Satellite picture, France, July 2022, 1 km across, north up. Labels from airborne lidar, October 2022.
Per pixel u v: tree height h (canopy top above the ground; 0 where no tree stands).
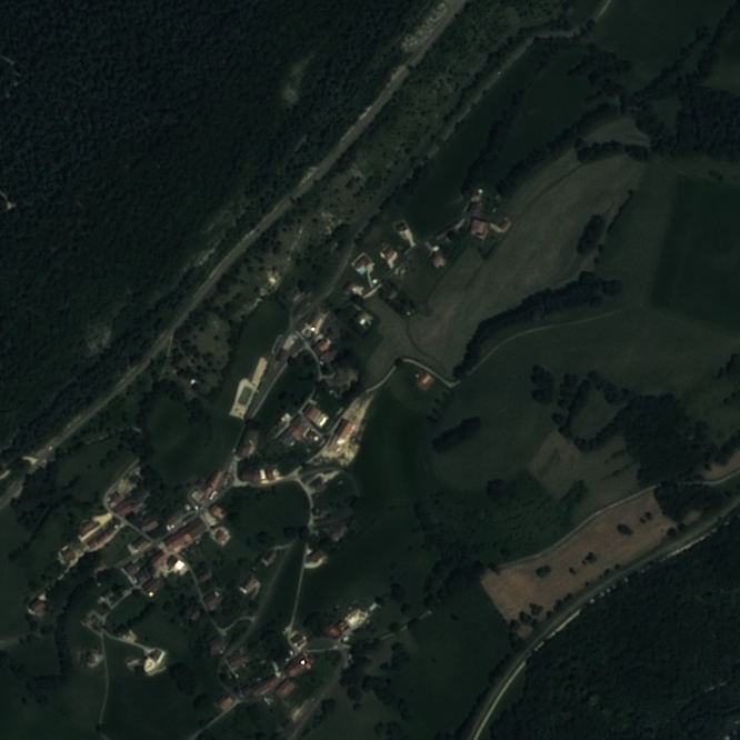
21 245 24
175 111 18
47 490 10
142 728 0
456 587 21
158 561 0
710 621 15
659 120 21
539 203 0
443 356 0
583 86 0
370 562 0
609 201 0
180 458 0
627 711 9
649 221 0
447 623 0
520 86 0
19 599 0
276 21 9
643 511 0
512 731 11
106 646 0
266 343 0
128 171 10
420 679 0
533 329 0
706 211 0
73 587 0
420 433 0
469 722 13
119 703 0
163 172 8
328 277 0
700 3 0
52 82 20
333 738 0
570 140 20
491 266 0
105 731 16
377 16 23
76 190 14
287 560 0
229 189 9
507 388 0
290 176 8
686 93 21
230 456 0
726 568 15
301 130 15
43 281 11
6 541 0
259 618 0
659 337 0
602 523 0
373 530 0
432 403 0
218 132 14
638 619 19
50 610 10
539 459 0
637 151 17
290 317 0
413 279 0
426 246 0
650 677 22
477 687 0
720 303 0
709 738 16
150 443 20
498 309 0
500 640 0
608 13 0
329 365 15
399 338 0
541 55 0
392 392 0
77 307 9
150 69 17
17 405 6
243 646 0
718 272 0
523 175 22
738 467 0
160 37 19
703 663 6
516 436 0
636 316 0
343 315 14
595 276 13
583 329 0
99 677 0
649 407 17
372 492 0
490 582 0
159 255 7
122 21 18
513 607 0
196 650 6
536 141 0
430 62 6
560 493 0
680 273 0
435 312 0
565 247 0
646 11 0
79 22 21
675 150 25
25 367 12
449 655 0
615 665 18
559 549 0
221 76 19
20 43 22
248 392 0
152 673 0
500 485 19
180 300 13
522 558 0
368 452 0
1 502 0
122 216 11
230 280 16
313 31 14
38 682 23
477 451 0
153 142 15
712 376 0
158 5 21
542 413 0
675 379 0
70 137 19
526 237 0
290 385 0
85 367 6
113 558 0
